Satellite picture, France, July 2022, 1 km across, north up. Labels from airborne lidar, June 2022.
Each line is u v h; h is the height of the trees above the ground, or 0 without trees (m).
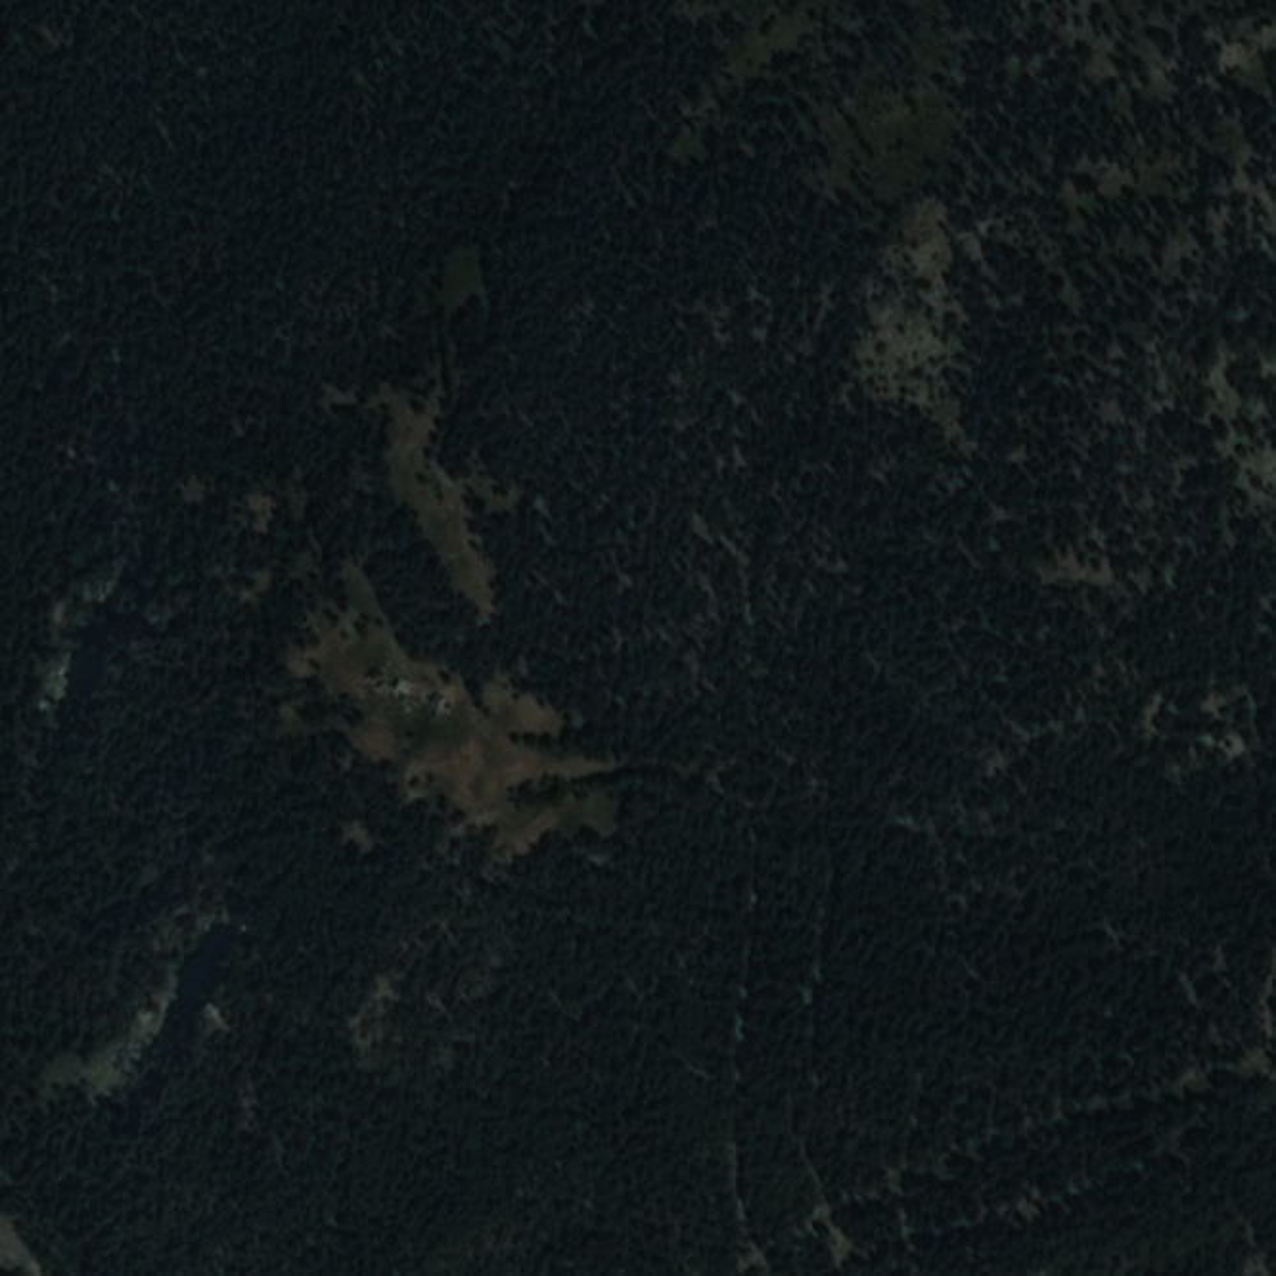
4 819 9
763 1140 16
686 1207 19
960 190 21
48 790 11
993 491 10
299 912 21
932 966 31
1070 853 13
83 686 23
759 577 23
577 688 28
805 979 28
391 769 12
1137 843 22
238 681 20
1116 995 32
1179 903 25
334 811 19
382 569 21
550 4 16
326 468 9
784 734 22
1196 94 11
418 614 11
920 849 22
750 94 9
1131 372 24
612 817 0
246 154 16
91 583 7
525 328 17
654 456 21
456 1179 25
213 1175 18
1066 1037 10
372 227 23
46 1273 16
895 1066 18
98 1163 17
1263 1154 24
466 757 0
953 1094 34
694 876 23
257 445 13
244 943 15
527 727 0
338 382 12
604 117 19
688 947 24
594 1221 19
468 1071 22
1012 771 14
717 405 21
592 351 13
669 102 22
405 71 25
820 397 14
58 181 21
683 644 7
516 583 23
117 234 22
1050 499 18
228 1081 17
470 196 19
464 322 11
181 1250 17
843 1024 26
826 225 23
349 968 16
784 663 23
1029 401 9
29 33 22
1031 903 20
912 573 22
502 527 22
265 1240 17
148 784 24
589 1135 14
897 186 0
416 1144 22
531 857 10
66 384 31
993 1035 22
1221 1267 26
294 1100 16
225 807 13
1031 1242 17
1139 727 13
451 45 22
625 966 20
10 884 17
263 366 27
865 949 24
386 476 15
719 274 19
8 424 29
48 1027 19
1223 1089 23
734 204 18
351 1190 21
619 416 18
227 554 19
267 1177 23
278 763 9
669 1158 22
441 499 11
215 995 10
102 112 21
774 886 17
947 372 9
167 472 21
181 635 23
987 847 11
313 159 11
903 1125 23
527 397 16
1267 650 29
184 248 24
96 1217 19
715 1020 23
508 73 19
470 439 16
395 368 9
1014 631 18
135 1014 11
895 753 8
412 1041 20
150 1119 17
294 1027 12
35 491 27
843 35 22
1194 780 18
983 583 14
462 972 20
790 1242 17
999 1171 29
